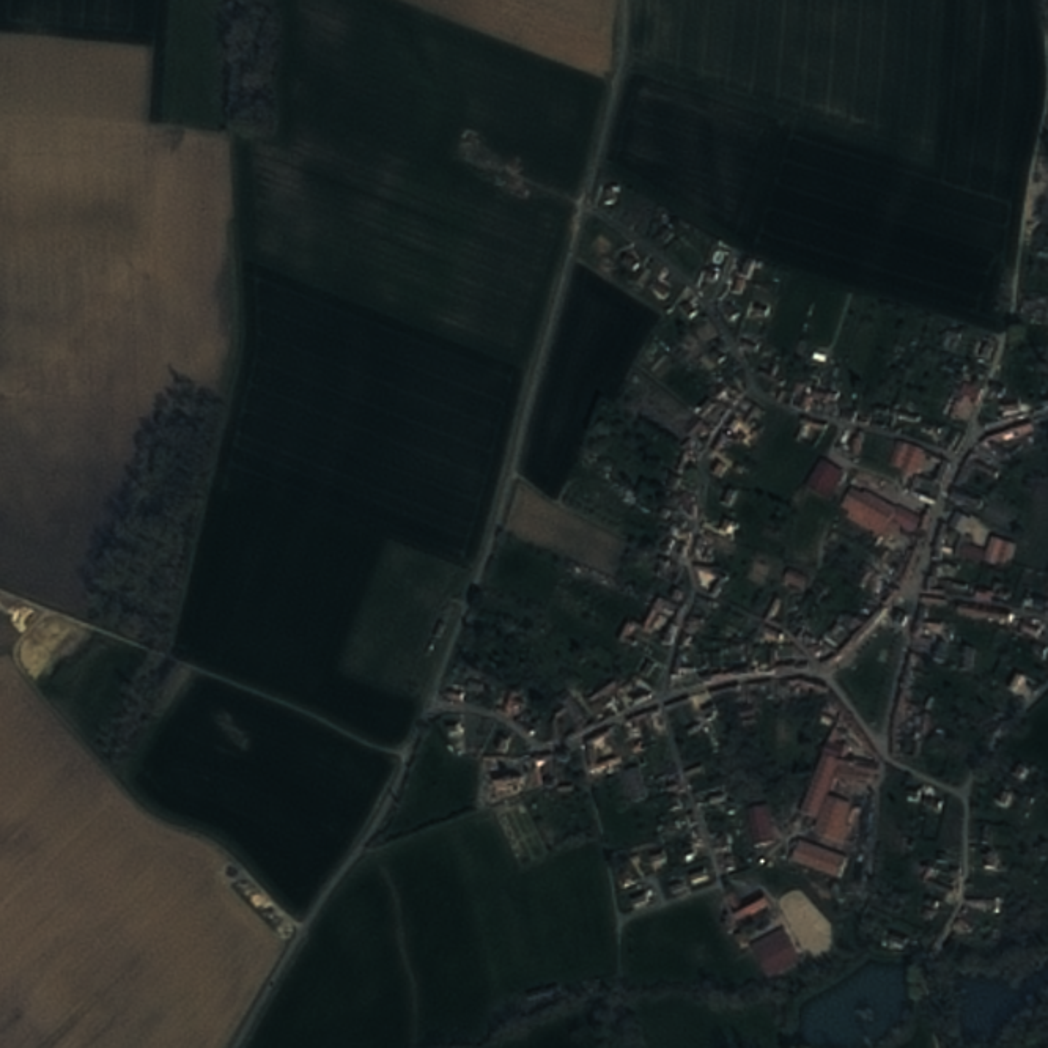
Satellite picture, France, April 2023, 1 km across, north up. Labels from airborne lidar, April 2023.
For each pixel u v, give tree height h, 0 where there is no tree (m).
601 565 0
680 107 0
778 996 14
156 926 0
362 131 0
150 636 25
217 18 0
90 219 0
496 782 0
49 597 0
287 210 0
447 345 0
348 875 0
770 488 0
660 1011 0
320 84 0
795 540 0
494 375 0
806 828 0
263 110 22
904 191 0
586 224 0
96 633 0
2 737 0
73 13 0
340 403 0
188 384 12
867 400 10
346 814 0
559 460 0
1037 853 8
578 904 0
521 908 0
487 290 0
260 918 0
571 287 0
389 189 0
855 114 0
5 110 0
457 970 0
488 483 0
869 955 17
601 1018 20
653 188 0
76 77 0
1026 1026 20
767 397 0
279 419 0
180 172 0
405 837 6
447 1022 0
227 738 0
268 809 0
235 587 0
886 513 0
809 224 0
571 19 0
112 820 0
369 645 0
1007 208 0
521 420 0
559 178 0
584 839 11
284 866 0
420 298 0
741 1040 0
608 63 0
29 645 0
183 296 0
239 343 0
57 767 0
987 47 0
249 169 0
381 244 0
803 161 0
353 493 0
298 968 0
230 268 0
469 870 0
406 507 0
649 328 0
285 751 0
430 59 0
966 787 0
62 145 0
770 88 0
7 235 0
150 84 0
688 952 0
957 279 0
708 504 0
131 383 0
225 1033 0
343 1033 0
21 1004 0
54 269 0
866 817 0
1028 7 0
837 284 0
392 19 0
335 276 0
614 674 6
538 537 0
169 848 0
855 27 0
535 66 0
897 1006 0
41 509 0
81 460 0
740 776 13
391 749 0
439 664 0
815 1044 0
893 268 0
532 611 9
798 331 0
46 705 0
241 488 0
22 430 0
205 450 22
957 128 0
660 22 0
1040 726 0
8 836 0
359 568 0
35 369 0
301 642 0
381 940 0
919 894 0
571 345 0
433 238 0
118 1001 0
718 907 0
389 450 0
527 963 0
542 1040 0
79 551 0
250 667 0
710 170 0
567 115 0
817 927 0
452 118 0
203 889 0
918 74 0
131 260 0
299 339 0
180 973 0
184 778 0
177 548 37
